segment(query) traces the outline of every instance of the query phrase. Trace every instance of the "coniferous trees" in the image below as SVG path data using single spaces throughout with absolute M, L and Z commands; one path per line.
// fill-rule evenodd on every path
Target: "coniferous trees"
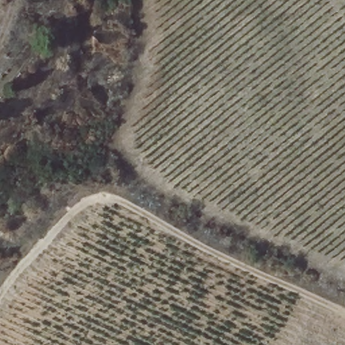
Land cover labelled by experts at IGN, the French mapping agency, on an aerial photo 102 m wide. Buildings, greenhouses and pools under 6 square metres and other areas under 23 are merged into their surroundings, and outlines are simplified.
M 51 50 L 63 47 L 63 40 L 57 28 L 39 27 L 35 24 L 28 42 L 31 44 L 32 53 L 39 55 L 40 58 L 46 58 L 49 57 Z

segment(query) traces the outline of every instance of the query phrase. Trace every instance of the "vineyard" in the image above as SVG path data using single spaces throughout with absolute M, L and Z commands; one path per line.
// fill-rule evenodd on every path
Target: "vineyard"
M 201 259 L 195 255 L 197 248 L 193 245 L 151 228 L 151 222 L 147 217 L 133 213 L 132 210 L 117 203 L 105 206 L 104 203 L 94 203 L 75 214 L 54 237 L 49 247 L 40 252 L 30 267 L 15 279 L 13 290 L 18 294 L 16 298 L 12 301 L 3 299 L 3 305 L 0 306 L 0 345 L 345 345 L 345 318 L 325 307 L 307 305 L 296 292 L 288 292 L 278 284 L 268 283 L 267 286 L 261 286 L 255 276 L 247 271 L 241 271 L 239 268 L 229 270 L 212 261 Z
M 294 255 L 305 253 L 309 267 L 325 270 L 334 279 L 345 280 L 345 0 L 143 0 L 142 22 L 147 24 L 143 35 L 147 44 L 144 53 L 133 67 L 133 92 L 129 98 L 129 105 L 125 108 L 125 123 L 119 128 L 109 147 L 123 152 L 124 158 L 135 166 L 140 177 L 147 179 L 162 193 L 174 197 L 177 195 L 183 202 L 198 199 L 205 205 L 203 213 L 208 214 L 210 218 L 216 217 L 217 222 L 247 226 L 251 237 L 260 237 L 275 245 L 290 245 L 291 253 Z

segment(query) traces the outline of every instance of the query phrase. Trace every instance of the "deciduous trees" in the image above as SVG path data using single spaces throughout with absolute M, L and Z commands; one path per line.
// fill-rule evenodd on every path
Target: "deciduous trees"
M 94 0 L 94 3 L 88 1 L 84 5 L 89 15 L 93 13 L 100 16 L 102 22 L 119 20 L 127 30 L 143 35 L 147 24 L 142 22 L 143 0 Z

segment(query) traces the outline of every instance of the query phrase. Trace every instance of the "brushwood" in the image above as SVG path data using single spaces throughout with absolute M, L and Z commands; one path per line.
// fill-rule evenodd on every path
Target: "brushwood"
M 74 182 L 82 185 L 88 181 L 90 172 L 108 171 L 108 166 L 101 166 L 100 144 L 109 147 L 119 128 L 109 120 L 89 120 L 89 124 L 78 125 L 77 139 L 67 143 L 62 142 L 58 136 L 51 136 L 50 121 L 43 121 L 43 124 L 31 128 L 27 132 L 27 139 L 13 148 L 8 158 L 0 164 L 0 203 L 8 205 L 7 212 L 1 217 L 5 226 L 13 218 L 24 216 L 23 205 L 28 199 L 34 199 L 36 208 L 46 210 L 49 208 L 49 199 L 40 193 L 42 187 L 53 190 L 55 183 Z
M 177 195 L 174 197 L 168 206 L 168 217 L 164 220 L 217 251 L 228 253 L 267 274 L 274 274 L 280 279 L 322 296 L 327 301 L 345 307 L 345 280 L 334 279 L 325 270 L 309 267 L 305 253 L 294 255 L 291 253 L 290 245 L 275 245 L 260 237 L 251 237 L 247 226 L 217 222 L 216 217 L 210 218 L 208 214 L 203 213 L 205 205 L 198 199 L 183 202 Z

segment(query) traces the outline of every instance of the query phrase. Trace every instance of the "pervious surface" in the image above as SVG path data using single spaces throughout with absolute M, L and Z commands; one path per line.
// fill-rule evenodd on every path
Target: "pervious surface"
M 345 307 L 327 301 L 322 296 L 280 279 L 274 274 L 267 274 L 228 253 L 217 251 L 164 220 L 119 195 L 106 191 L 89 195 L 74 206 L 67 206 L 65 216 L 51 226 L 46 236 L 22 257 L 0 287 L 0 306 L 3 305 L 3 299 L 12 301 L 16 298 L 18 294 L 13 290 L 15 279 L 30 267 L 40 252 L 49 247 L 54 237 L 75 214 L 94 203 L 104 203 L 105 206 L 117 203 L 132 210 L 133 213 L 147 217 L 151 222 L 151 228 L 193 245 L 197 248 L 195 255 L 201 259 L 212 261 L 229 270 L 239 268 L 241 271 L 247 271 L 255 276 L 261 286 L 267 286 L 268 283 L 278 284 L 288 292 L 296 292 L 307 305 L 325 307 L 345 318 Z

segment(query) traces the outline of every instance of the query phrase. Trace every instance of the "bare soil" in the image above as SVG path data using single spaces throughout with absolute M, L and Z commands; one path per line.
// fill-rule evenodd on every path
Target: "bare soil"
M 46 236 L 51 226 L 65 216 L 67 206 L 74 206 L 89 195 L 106 191 L 119 195 L 164 220 L 168 217 L 168 206 L 174 197 L 162 193 L 147 179 L 140 177 L 135 166 L 124 158 L 123 152 L 109 147 L 100 144 L 101 166 L 108 166 L 108 171 L 90 172 L 88 181 L 82 185 L 74 182 L 55 183 L 53 190 L 42 187 L 40 193 L 49 199 L 49 208 L 46 210 L 36 208 L 34 199 L 28 199 L 23 205 L 24 216 L 13 218 L 5 226 L 1 217 L 7 212 L 8 205 L 0 203 L 0 287 L 22 257 Z
M 50 121 L 51 136 L 58 136 L 62 142 L 67 143 L 77 139 L 78 125 L 89 124 L 89 120 L 109 120 L 119 128 L 125 123 L 125 108 L 129 105 L 129 98 L 133 92 L 133 67 L 144 53 L 147 44 L 143 35 L 127 30 L 119 20 L 102 22 L 100 16 L 93 13 L 89 15 L 84 5 L 88 1 L 94 3 L 94 0 L 0 0 L 0 164 L 8 158 L 13 148 L 27 139 L 27 132 L 31 128 L 43 124 L 43 121 Z M 57 28 L 63 40 L 63 47 L 51 50 L 49 57 L 46 58 L 40 58 L 39 55 L 32 53 L 31 44 L 28 42 L 35 24 L 39 27 Z

